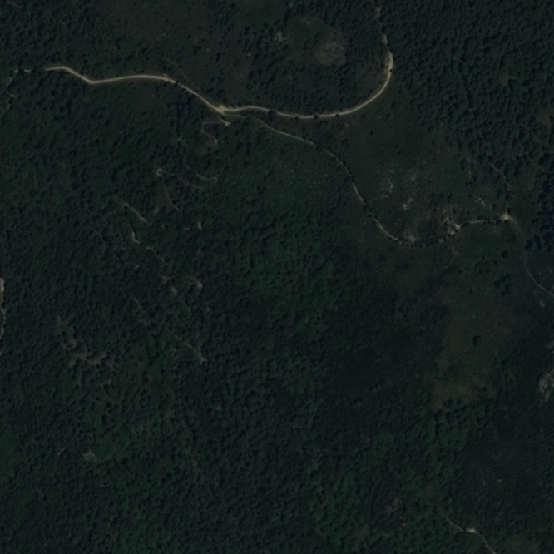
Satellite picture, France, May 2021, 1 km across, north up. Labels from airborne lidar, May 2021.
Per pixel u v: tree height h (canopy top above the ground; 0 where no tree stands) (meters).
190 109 24
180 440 7
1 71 23
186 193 18
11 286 14
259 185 6
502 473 8
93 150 24
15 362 22
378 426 20
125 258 26
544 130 28
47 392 18
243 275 11
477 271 9
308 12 19
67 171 24
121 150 12
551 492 11
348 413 8
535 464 9
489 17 29
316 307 11
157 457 17
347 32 13
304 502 8
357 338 10
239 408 31
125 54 9
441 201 21
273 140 6
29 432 13
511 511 11
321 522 16
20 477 7
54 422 23
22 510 18
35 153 9
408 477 19
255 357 18
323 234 15
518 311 6
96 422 20
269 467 22
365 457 26
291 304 19
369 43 26
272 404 26
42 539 16
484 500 11
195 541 22
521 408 8
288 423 30
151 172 10
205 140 6
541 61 24
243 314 14
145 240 15
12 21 17
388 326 9
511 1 27
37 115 27
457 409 14
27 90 31
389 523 8
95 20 22
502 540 7
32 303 21
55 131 23
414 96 14
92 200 36
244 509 31
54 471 28
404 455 18
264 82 18
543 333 8
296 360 19
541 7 21
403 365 6
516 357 7
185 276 15
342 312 8
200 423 7
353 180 13
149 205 19
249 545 22
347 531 13
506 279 20
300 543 25
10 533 7
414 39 19
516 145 23
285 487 26
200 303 13
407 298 7
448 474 18
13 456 7
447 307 7
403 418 10
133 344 24
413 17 28
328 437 15
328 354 12
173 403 18
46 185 30
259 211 8
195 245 13
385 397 9
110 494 27
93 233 23
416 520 15
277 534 27
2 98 19
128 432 16
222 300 9
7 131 22
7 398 7
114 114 10
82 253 15
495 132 28
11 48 26
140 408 16
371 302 6
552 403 9
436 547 15
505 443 7
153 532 21
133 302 22
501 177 19
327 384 9
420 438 13
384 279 7
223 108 0
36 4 17
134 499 28
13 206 23
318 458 17
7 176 16
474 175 6
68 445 33
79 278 20
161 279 22
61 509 20
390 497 17
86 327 19
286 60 8
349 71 17
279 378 16
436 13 33
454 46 30
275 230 27
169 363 17
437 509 14
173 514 24
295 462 18
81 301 18
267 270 10
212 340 23
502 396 9
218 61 12
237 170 6
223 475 34
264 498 15
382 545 6
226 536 27
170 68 10
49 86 33
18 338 19
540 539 10
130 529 19
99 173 25
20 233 10
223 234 12
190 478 27
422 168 7
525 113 22
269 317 24
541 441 6
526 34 27
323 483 17
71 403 27
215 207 8
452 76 35
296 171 7
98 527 30
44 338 19
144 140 18
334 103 17
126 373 10
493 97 33
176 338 15
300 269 21
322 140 8
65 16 11
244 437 25
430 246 14
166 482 26
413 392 6
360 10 30
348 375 7
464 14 25
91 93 14
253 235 26
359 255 6
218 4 12
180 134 17
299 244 25
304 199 6
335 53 0
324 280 21
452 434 21
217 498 24
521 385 10
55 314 19
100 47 8
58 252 14
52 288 26
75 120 23
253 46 13
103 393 29
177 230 15
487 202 12
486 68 32
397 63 18
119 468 19
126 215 14
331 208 6
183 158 18
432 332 10
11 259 9
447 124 7
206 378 11
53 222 30
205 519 29
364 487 22
